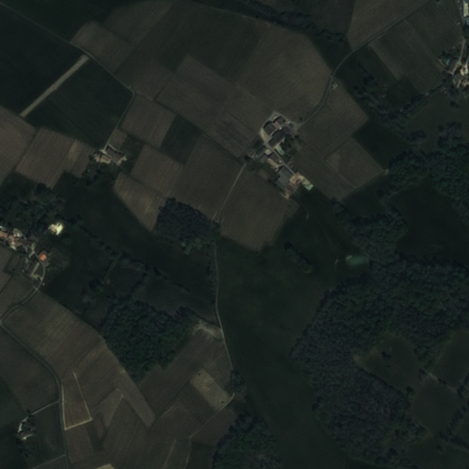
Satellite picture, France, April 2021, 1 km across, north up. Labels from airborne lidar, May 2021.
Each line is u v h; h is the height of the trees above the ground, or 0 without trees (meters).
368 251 13
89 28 0
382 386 18
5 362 0
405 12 0
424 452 0
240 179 0
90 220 0
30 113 0
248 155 0
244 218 0
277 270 0
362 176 0
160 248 0
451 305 20
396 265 25
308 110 0
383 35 0
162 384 0
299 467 0
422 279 26
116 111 0
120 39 0
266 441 23
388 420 14
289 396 0
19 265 0
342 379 11
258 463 22
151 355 23
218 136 0
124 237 0
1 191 0
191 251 11
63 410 0
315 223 0
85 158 0
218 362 0
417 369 0
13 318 0
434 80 0
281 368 0
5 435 0
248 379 0
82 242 0
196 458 0
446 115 0
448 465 0
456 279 25
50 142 0
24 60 0
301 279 0
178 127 0
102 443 0
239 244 0
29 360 0
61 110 0
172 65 0
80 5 0
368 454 19
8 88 0
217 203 0
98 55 0
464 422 24
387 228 16
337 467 0
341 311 24
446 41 0
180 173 0
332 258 0
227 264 0
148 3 0
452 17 0
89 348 0
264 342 0
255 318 0
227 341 0
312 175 0
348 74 0
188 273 0
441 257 0
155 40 0
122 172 0
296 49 0
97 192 0
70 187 0
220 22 0
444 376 0
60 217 14
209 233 20
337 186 0
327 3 0
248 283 0
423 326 25
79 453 0
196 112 0
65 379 0
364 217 0
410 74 0
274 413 0
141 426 0
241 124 0
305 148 0
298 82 0
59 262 0
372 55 0
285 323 0
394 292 25
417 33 0
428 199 0
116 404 0
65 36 0
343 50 0
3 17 0
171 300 0
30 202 0
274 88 0
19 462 0
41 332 0
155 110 0
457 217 0
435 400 0
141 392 0
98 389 0
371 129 0
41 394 0
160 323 19
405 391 0
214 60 0
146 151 0
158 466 0
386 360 17
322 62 0
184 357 0
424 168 23
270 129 0
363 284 17
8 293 0
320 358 20
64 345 0
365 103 18
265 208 0
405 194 0
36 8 0
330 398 16
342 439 10
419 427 16
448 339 22
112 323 16
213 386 0
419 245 0
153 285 0
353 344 25
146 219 0
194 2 0
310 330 15
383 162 0
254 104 0
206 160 0
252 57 0
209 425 0
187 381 0
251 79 0
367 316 15
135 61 0
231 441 17
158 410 0
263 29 0
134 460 0
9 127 0
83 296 12
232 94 0
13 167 0
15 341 0
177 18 0
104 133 0
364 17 0
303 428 0
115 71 0
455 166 23
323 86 0
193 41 0
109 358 0
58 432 0
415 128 0
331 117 0
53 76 0
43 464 0
